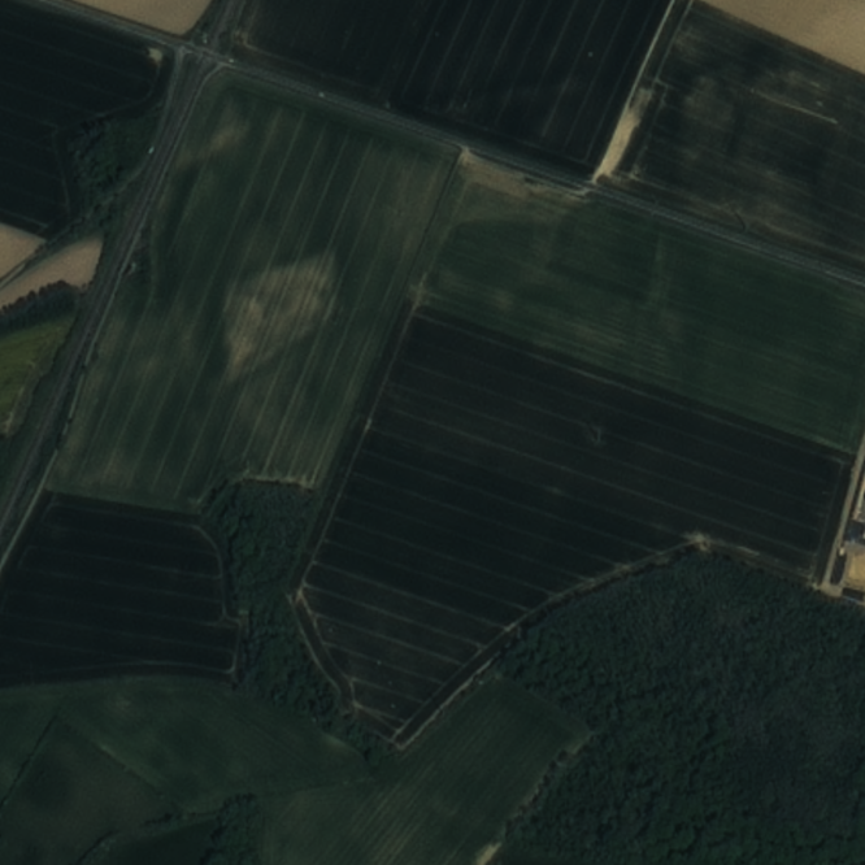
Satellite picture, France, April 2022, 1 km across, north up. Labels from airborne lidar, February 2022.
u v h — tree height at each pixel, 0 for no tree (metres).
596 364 0
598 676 17
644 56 0
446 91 0
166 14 0
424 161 0
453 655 0
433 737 0
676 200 0
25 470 0
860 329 0
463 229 0
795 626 23
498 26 0
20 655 0
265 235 0
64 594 0
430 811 0
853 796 24
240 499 16
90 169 7
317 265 0
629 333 0
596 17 0
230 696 0
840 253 0
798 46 0
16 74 0
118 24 0
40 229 0
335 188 0
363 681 0
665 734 28
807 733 25
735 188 0
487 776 0
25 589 0
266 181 0
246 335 0
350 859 0
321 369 0
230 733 0
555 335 0
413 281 0
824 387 0
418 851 0
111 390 0
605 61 0
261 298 0
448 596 0
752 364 0
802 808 25
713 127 0
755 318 0
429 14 0
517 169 0
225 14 0
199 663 0
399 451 0
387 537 0
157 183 0
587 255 0
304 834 0
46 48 0
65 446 11
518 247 0
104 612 0
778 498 0
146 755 0
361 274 0
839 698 21
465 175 0
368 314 0
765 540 0
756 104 0
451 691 0
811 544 0
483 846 0
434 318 0
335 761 0
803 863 28
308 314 0
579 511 0
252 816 17
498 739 0
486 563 0
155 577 0
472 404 0
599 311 0
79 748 0
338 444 0
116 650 0
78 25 0
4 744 0
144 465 0
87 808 0
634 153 0
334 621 0
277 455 0
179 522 0
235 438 0
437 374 0
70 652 0
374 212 0
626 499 0
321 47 0
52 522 0
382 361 0
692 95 0
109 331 0
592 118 0
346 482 0
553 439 0
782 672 21
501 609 0
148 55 0
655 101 0
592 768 11
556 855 11
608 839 25
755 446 0
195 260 0
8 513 0
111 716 0
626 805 12
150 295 0
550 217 0
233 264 0
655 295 0
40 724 0
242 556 20
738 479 0
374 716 0
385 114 0
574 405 0
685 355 0
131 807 0
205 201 0
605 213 0
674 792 17
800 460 0
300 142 0
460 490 0
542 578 0
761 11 0
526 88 0
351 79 0
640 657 6
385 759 12
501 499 0
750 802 23
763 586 18
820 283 0
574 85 0
